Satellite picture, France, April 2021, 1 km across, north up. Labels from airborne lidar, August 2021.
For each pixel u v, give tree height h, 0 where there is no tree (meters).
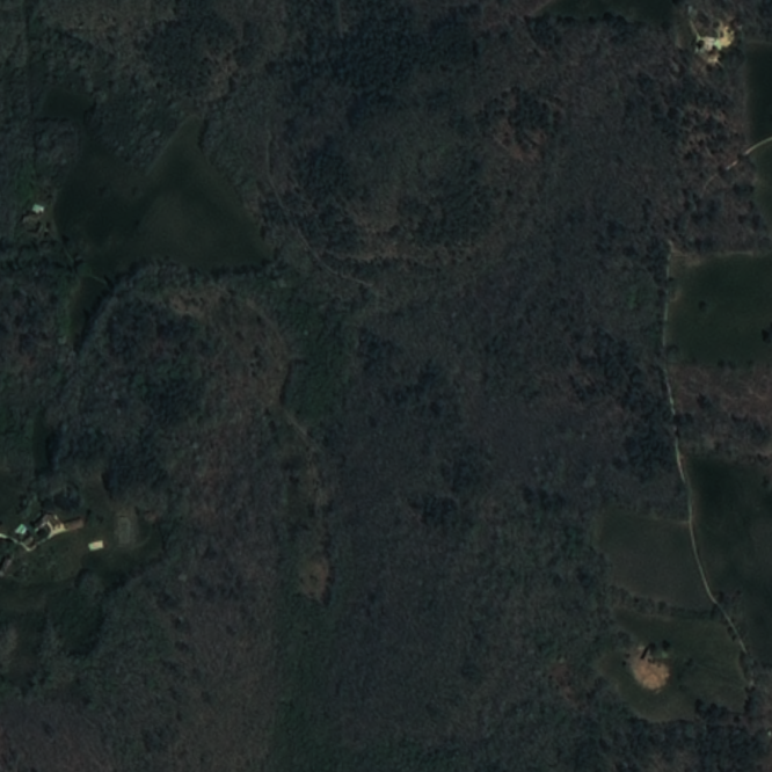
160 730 15
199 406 22
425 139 22
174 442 19
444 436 15
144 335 28
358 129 23
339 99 15
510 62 12
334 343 20
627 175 11
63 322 20
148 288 18
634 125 11
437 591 18
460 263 8
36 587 0
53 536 0
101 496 0
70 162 12
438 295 19
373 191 17
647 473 18
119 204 0
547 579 16
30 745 11
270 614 14
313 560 25
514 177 9
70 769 8
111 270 0
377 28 14
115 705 19
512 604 19
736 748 22
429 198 20
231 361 18
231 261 0
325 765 19
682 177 13
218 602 21
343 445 10
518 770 24
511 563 18
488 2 13
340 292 15
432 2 23
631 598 12
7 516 0
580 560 18
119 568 0
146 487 25
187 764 14
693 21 18
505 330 11
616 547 0
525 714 21
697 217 9
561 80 12
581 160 18
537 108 14
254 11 14
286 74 18
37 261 12
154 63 20
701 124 13
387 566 19
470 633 17
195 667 16
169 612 20
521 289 16
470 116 13
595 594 19
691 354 0
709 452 14
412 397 16
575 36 12
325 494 18
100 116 14
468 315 13
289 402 22
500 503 18
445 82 13
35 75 7
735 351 0
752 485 0
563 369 12
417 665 18
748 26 19
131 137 6
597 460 13
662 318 9
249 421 16
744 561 0
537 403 16
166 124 7
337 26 10
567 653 20
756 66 0
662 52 11
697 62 17
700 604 0
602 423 12
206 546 21
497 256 18
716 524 0
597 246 12
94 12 21
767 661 0
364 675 17
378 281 12
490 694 17
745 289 0
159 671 21
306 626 24
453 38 23
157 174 0
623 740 20
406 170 24
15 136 20
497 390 13
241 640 14
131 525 0
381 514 17
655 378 17
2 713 11
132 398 19
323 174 23
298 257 17
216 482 6
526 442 18
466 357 21
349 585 18
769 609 0
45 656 25
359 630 13
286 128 13
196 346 18
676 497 12
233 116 19
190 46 19
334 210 11
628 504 13
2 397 12
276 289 20
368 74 25
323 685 17
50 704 19
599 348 17
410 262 12
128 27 13
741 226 11
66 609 7
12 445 18
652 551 0
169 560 20
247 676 20
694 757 16
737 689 0
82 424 26
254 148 13
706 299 0
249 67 16
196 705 14
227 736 17
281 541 25
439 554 14
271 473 28
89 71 8
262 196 19
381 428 14
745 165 17
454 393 19
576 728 17
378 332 11
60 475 20
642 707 0
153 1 15
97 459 28
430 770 24
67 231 0
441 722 25
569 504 15
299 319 23
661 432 14
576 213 6
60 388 14
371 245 8
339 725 14
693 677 0
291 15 18
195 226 0
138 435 22
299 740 23
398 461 14
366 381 14
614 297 18
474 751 20
